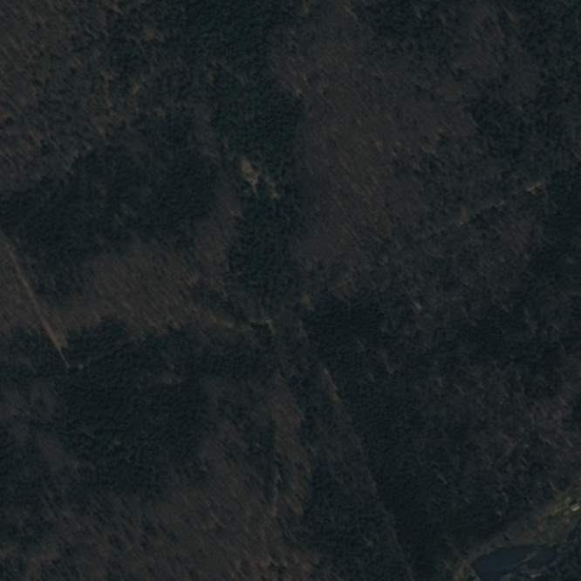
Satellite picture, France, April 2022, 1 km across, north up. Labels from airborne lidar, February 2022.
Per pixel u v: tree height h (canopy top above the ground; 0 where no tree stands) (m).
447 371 18
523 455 26
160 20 25
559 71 22
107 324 21
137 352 24
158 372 26
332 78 28
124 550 27
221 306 31
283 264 20
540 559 0
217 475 29
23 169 30
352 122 29
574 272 22
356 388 29
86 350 21
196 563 24
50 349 23
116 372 28
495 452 29
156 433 28
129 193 28
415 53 24
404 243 26
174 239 27
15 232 28
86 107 25
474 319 22
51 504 32
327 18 29
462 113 23
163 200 27
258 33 26
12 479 32
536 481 34
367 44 23
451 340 26
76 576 27
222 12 21
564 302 24
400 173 31
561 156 25
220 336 25
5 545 19
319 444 32
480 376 27
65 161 29
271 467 25
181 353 30
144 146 22
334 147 28
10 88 30
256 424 24
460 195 27
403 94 26
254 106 23
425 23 11
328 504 25
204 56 30
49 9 26
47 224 30
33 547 29
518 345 21
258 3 30
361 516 29
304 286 31
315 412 35
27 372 25
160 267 28
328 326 27
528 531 28
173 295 25
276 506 23
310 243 31
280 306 21
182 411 28
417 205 24
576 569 27
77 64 25
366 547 25
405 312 25
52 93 21
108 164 24
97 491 29
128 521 30
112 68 24
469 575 14
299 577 33
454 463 23
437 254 25
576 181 29
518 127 28
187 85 18
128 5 8
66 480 32
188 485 26
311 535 23
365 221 30
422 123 27
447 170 28
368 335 29
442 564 18
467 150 25
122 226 23
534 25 26
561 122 28
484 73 23
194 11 25
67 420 19
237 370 24
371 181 26
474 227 22
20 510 28
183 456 28
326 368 27
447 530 16
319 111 27
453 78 23
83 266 27
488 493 26
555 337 26
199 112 21
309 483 24
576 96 23
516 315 24
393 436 29
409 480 27
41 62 18
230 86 27
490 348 25
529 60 23
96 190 29
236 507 29
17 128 30
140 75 34
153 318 27
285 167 24
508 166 22
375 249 28
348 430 27
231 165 29
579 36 18
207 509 25
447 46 26
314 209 28
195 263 24
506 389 27
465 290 26
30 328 23
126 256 25
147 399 27
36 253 24
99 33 14
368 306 25
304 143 24
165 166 23
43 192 24
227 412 23
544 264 22
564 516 0
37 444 24
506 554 0
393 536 23
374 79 25
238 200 25
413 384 22
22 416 23
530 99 25
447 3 26
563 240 26
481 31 25
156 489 26
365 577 36
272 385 26
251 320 23
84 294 26
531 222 25
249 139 26
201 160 29
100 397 25
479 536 22
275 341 27
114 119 26
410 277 25
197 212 26
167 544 22
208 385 25
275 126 31
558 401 26
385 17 35
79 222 26
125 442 19
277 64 29
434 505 22
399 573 26
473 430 22
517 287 26
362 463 31
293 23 22
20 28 21
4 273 25
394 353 23
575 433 22
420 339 18
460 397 24
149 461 28
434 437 27
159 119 28
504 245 26
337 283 23
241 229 22
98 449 29
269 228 23
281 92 28
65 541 25
